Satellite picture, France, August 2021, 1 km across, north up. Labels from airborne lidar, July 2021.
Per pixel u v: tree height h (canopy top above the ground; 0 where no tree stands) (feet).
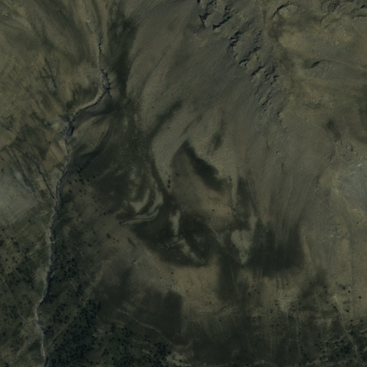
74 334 24
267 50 0
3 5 0
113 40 0
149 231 0
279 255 0
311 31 0
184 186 0
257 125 0
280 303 0
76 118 0
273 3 0
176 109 0
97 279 0
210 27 0
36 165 0
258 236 0
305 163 0
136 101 0
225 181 0
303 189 0
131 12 0
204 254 0
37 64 0
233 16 0
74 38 0
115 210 0
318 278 0
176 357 0
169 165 0
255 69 0
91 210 0
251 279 0
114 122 0
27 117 0
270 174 0
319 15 0
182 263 0
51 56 0
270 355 0
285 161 0
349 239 0
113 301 0
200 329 0
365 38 0
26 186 0
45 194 0
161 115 0
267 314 0
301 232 0
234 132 0
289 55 0
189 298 0
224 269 0
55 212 0
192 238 0
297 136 0
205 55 0
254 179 0
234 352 0
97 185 0
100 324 0
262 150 0
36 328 0
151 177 0
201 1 0
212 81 0
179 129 0
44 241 0
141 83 0
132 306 0
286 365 0
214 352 0
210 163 0
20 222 0
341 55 0
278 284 0
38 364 0
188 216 0
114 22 0
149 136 0
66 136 0
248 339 0
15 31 0
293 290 0
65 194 0
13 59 0
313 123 0
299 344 0
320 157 0
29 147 0
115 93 0
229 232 0
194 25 0
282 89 0
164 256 0
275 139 0
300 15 0
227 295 0
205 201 0
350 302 0
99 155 0
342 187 0
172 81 0
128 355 21
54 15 0
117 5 0
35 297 0
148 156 0
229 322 0
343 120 0
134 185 0
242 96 0
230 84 0
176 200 0
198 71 0
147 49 0
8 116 0
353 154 0
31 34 0
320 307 0
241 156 0
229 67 0
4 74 0
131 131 0
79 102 0
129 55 0
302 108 0
